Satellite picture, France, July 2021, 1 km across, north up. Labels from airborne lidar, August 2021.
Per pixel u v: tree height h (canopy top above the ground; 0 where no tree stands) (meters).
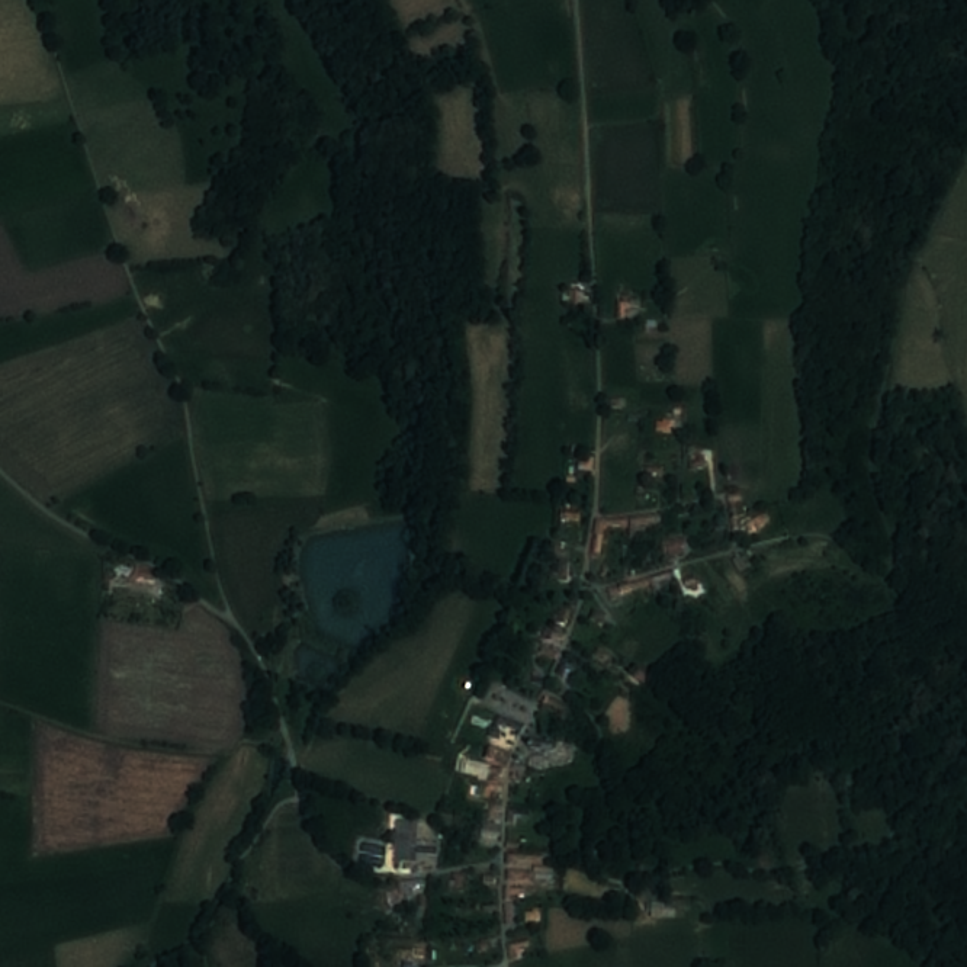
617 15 0
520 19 0
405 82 20
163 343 0
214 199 18
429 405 30
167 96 14
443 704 0
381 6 21
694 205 0
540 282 0
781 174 0
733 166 12
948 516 25
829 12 16
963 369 0
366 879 13
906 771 23
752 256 0
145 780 0
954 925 23
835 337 18
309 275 20
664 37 0
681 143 0
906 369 0
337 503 0
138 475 0
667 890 19
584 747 16
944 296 0
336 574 0
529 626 9
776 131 0
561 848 24
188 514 0
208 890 0
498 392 0
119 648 0
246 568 0
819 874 22
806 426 19
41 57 0
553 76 0
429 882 8
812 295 17
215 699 0
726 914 18
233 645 9
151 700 0
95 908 0
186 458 0
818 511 0
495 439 0
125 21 28
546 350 0
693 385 0
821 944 18
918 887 21
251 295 0
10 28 0
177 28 27
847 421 24
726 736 24
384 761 0
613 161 0
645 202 0
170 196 0
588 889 0
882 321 18
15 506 0
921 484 32
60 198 0
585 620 10
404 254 23
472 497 0
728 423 0
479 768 0
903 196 10
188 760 0
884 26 23
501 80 0
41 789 0
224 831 0
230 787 0
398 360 17
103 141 0
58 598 0
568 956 0
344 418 0
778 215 0
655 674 21
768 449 0
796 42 0
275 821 0
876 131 11
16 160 0
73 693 0
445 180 22
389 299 24
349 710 0
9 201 0
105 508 0
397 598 16
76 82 0
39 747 0
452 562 29
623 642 0
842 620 0
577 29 0
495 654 20
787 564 0
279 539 0
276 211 0
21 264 0
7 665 0
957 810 9
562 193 0
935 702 17
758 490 0
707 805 30
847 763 9
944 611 28
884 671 29
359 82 27
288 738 0
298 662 0
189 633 0
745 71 20
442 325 25
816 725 19
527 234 13
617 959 0
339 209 15
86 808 0
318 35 23
